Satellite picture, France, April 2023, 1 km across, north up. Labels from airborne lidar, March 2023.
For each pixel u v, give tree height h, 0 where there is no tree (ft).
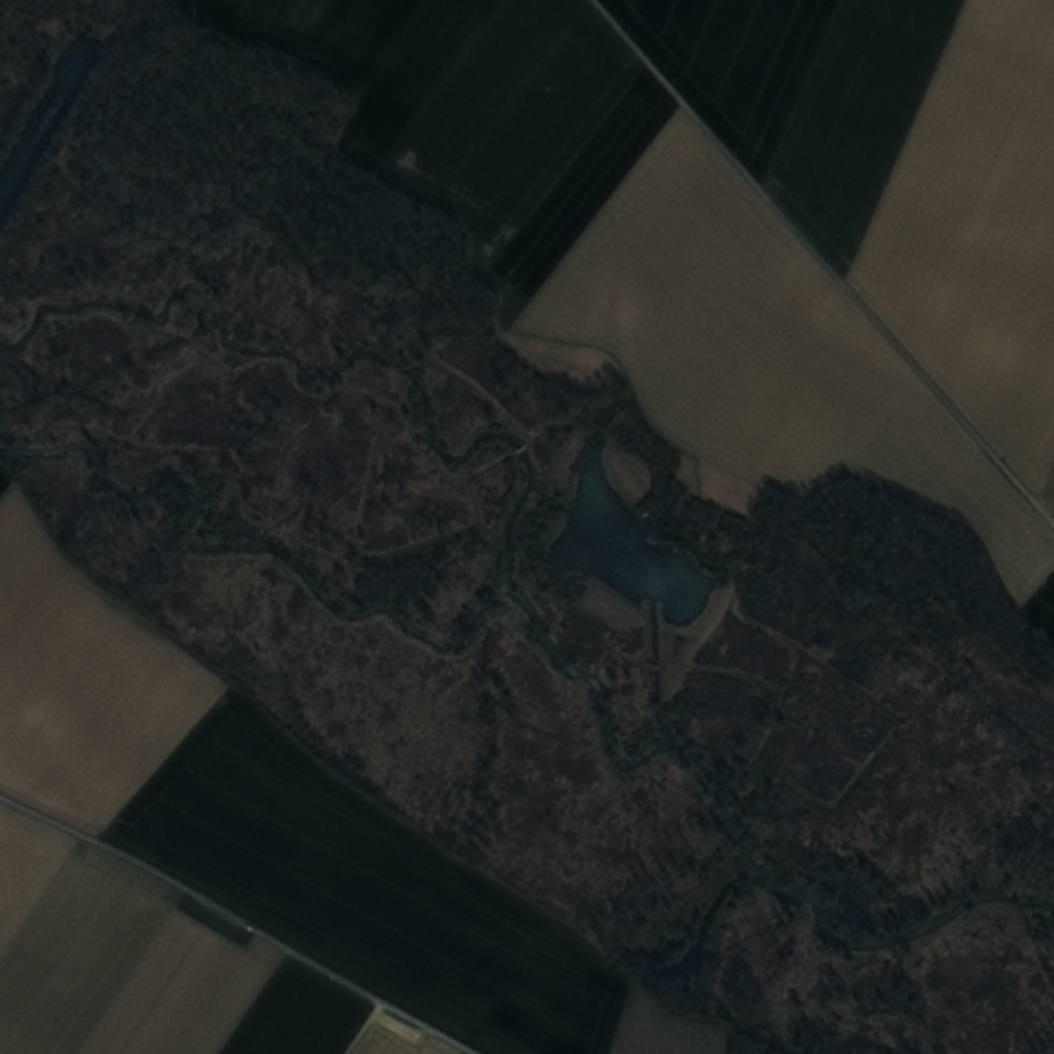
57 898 0
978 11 0
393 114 0
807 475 0
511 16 0
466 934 0
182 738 0
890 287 0
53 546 0
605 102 0
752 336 0
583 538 0
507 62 0
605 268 0
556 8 0
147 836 0
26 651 0
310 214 72
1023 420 0
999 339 0
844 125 0
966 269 0
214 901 0
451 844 51
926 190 0
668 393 0
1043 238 0
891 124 0
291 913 0
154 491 42
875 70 0
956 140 0
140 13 47
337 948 0
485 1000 0
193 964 0
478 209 0
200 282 79
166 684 0
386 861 0
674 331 0
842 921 25
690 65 0
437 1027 0
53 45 42
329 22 0
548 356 0
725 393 0
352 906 0
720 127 0
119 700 0
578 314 0
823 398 0
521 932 0
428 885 0
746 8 0
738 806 46
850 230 0
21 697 0
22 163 0
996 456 0
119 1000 0
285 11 0
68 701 0
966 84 0
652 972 51
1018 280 0
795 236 0
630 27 0
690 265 0
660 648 0
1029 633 27
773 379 0
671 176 0
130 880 0
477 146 0
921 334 0
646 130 0
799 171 0
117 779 0
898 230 0
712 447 0
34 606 0
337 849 0
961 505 0
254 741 0
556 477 0
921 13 0
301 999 0
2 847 0
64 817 0
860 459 0
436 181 0
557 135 0
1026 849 86
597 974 0
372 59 0
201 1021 0
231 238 103
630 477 0
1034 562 0
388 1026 0
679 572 0
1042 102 0
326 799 0
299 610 54
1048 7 0
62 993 0
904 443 0
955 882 0
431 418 26
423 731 0
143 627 0
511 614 0
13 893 0
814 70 0
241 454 23
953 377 0
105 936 0
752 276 0
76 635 0
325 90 93
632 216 0
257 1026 0
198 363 0
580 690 0
